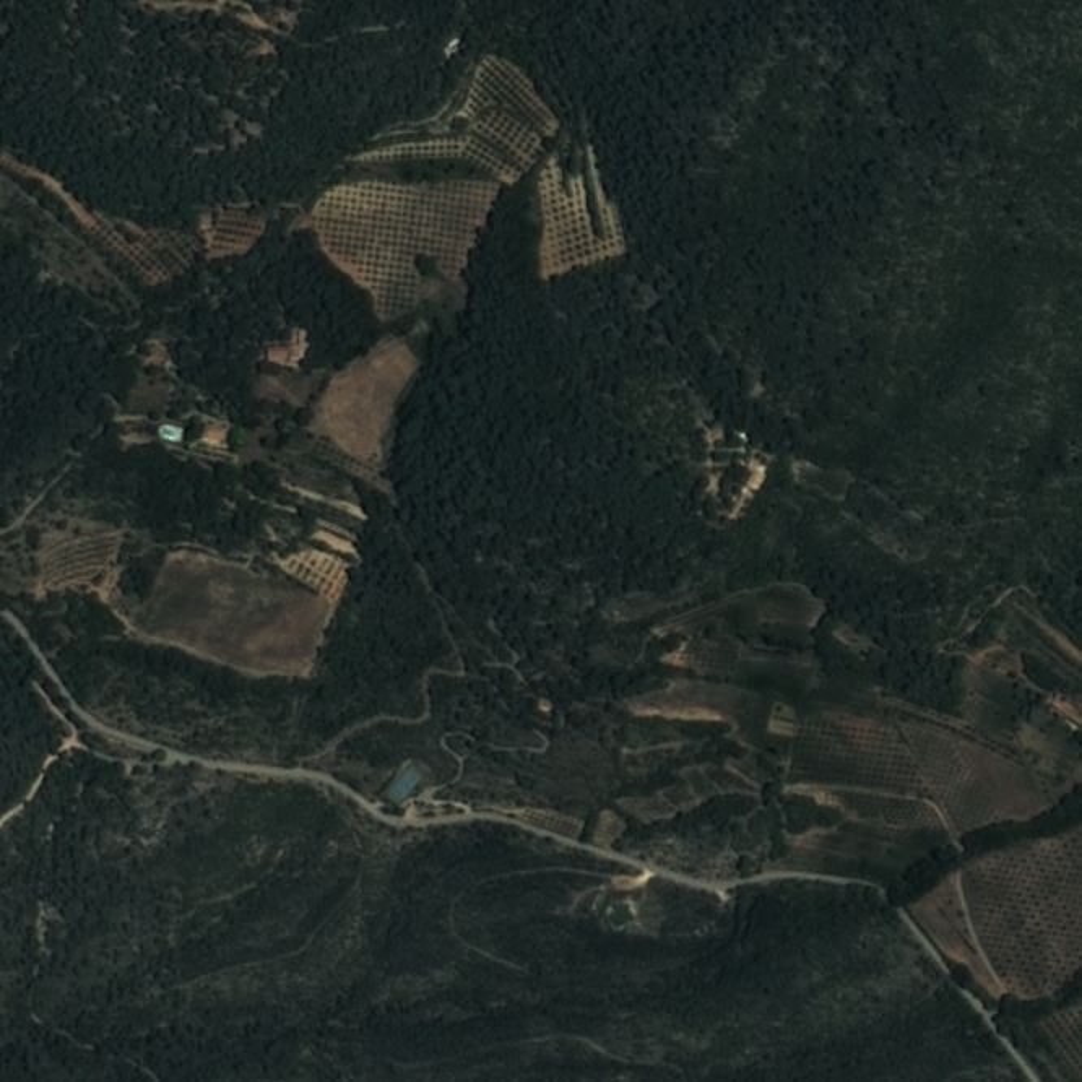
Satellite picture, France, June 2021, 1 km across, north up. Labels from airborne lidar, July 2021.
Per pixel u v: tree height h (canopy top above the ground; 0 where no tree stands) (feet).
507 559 44
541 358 23
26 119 55
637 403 19
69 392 47
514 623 48
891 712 21
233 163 32
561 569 41
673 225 41
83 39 45
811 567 27
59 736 25
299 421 40
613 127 37
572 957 22
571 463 54
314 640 0
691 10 27
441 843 30
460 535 62
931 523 31
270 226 21
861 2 42
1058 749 0
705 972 27
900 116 52
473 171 32
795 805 24
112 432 54
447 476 63
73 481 22
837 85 38
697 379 19
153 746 0
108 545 0
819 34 37
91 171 66
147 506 43
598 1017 17
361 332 34
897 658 48
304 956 18
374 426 0
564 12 28
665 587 51
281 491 28
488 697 26
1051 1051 31
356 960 18
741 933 25
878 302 32
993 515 34
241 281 42
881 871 26
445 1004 0
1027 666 36
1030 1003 37
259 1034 53
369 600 40
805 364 31
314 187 63
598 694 18
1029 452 43
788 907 22
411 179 40
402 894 20
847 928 19
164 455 41
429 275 24
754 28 41
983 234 20
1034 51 27
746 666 0
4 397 33
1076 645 28
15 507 35
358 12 47
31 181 28
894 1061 19
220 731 22
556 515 46
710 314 19
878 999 28
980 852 33
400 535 24
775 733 0
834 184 46
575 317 34
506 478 42
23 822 22
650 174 31
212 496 36
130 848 30
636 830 39
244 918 21
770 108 19
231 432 34
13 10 56
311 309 24
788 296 45
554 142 35
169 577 0
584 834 23
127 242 22
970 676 0
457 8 49
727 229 64
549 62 28
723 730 29
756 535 24
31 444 27
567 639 43
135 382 42
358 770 0
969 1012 22
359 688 36
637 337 66
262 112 43
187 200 63
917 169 23
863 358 34
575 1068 19
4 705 42
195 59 52
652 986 22
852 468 24
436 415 47
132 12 45
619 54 62
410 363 0
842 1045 21
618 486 54
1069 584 21
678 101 39
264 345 26
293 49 40
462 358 42
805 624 0
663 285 46
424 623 32
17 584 0
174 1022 21
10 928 39
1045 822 47
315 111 32
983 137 28
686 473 33
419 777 0
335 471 24
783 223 38
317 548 20
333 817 26
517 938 20
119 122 32
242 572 0
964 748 0
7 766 21
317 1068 18
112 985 34
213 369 68
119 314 23
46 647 24
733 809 22
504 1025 22
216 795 22
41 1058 34
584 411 65
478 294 48
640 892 0
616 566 49
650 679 45
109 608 19
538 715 49
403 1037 22
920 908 0
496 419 46
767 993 27
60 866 29
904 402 20
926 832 19
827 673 55
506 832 29
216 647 0
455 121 23
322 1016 19
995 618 38
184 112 43
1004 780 0
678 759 21
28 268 26
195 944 25
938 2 20
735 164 38
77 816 42
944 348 18
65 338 56
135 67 19
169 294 37
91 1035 25
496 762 29
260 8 39
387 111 39
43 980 29
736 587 25
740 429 52
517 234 31
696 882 0
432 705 26
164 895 28
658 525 53
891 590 44
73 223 20
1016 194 32
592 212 29
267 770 0
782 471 21
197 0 0
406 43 25
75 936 29
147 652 38
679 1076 19
